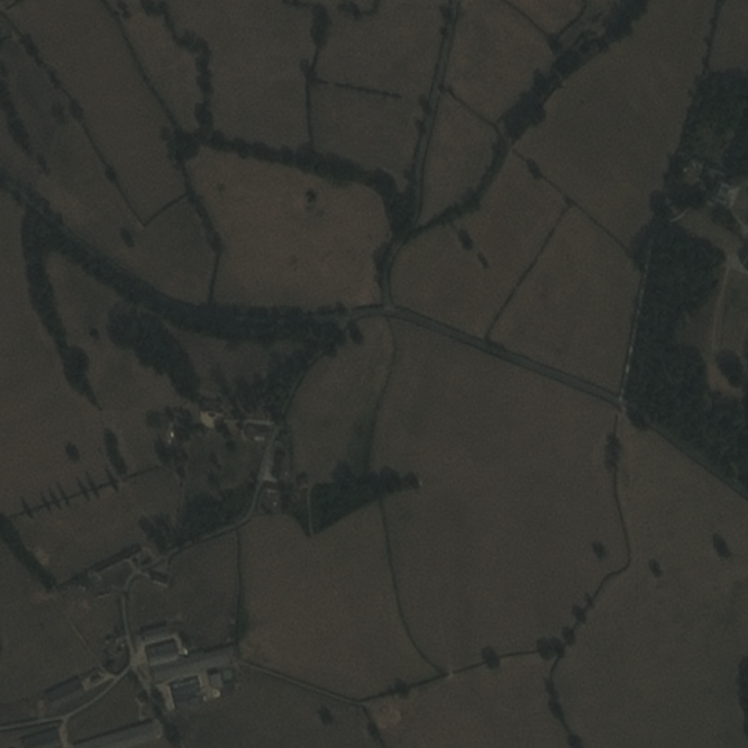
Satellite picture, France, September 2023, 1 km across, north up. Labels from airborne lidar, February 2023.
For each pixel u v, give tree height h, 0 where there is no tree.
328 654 0
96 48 0
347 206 0
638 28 0
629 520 0
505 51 0
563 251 0
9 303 0
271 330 17
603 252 0
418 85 0
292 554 0
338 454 0
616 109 0
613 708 0
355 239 0
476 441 0
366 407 0
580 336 0
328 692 0
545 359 0
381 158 0
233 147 11
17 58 0
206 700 0
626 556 0
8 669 0
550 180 0
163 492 0
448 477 0
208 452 0
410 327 0
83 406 0
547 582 0
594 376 0
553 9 0
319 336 20
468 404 0
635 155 0
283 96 0
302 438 0
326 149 0
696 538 0
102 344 0
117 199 0
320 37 16
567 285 0
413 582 0
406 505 0
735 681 0
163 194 0
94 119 0
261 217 0
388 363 0
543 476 0
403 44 0
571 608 0
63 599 0
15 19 0
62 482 0
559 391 0
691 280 24
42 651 0
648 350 20
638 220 0
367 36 0
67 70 0
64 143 0
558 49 17
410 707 0
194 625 0
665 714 0
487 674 0
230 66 0
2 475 0
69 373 13
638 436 0
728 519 0
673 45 0
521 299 0
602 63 0
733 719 0
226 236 0
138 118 0
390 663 0
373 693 0
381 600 0
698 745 0
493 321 0
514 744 0
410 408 0
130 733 0
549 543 0
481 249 0
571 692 0
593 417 0
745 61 0
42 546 0
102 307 0
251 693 0
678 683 0
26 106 0
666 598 0
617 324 0
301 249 0
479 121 0
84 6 0
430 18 0
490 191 0
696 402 24
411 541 0
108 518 0
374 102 0
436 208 0
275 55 0
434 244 0
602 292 0
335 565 0
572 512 0
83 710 0
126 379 0
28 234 16
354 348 0
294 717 0
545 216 0
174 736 19
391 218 7
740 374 21
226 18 0
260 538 0
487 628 0
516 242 0
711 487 0
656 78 0
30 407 0
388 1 0
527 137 0
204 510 17
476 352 0
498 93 0
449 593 0
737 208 0
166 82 0
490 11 0
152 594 0
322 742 0
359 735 0
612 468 10
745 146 12
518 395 0
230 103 0
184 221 0
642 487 0
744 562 0
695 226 0
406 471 0
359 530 0
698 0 0
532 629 0
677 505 0
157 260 0
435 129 0
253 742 0
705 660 0
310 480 0
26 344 0
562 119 0
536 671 0
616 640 0
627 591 0
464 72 0
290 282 0
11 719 0
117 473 13
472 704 0
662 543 0
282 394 16
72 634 0
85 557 0
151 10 15
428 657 0
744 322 0
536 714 0
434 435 0
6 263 0
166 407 0
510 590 0
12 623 0
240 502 0
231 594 0
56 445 0
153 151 0
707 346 0
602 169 0
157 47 0
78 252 14
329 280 0
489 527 0
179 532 14
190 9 0
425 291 0
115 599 0
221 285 0
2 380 0
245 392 21
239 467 0
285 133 0
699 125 7
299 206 0
